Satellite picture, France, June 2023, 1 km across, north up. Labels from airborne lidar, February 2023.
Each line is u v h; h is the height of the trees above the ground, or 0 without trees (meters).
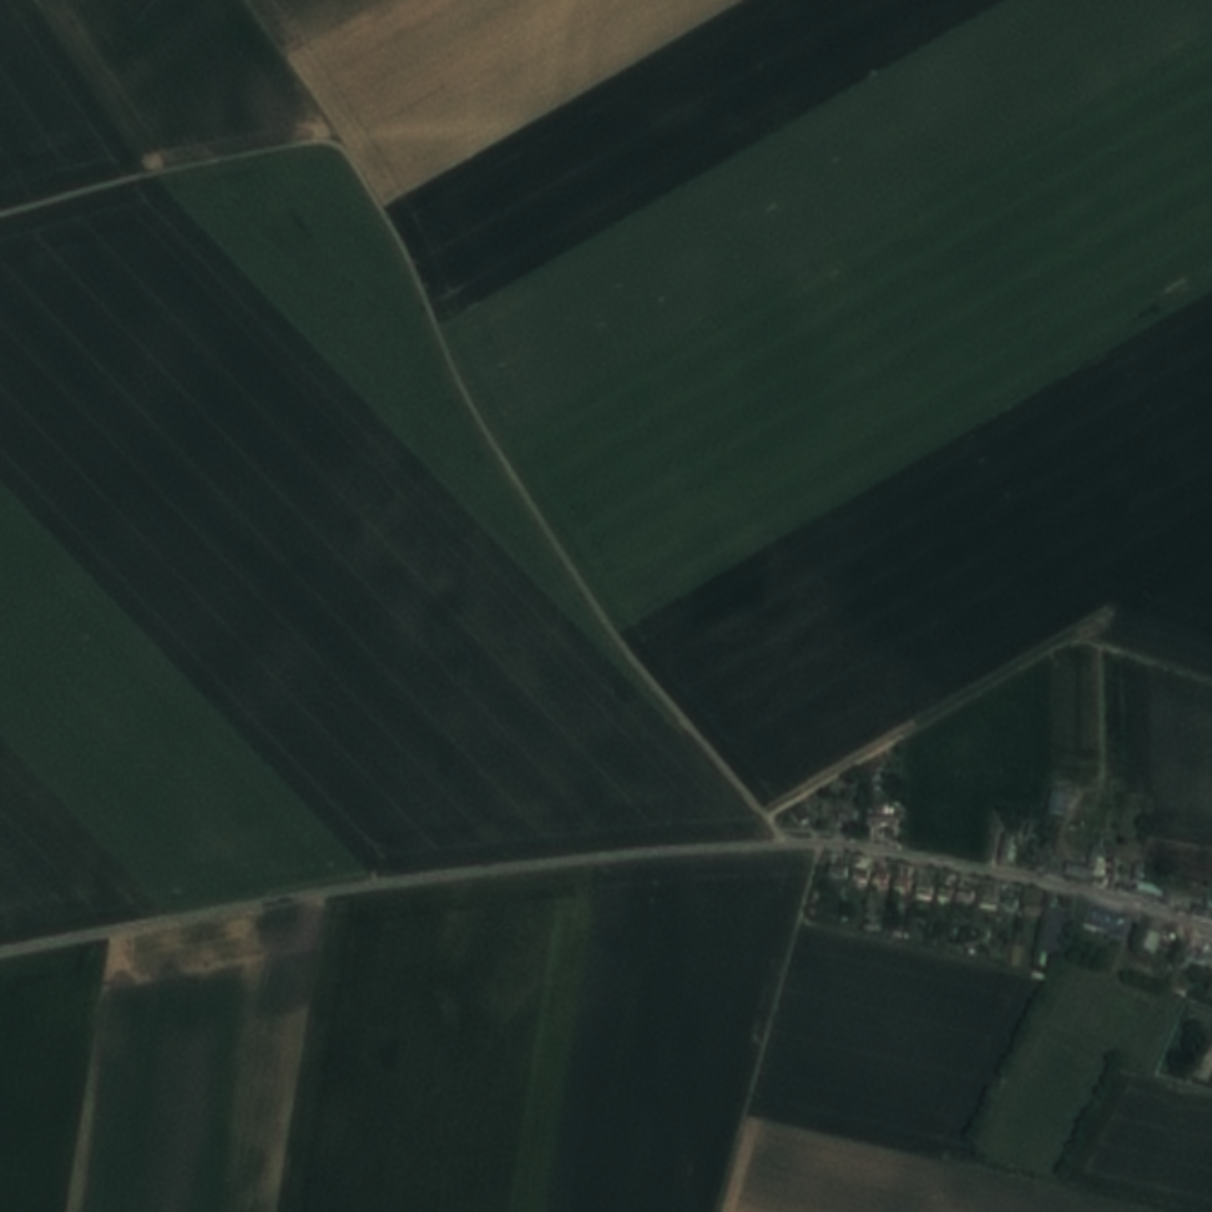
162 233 0
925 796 0
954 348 0
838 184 0
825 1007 0
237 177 0
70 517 0
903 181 0
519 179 0
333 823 0
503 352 0
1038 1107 0
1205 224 0
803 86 0
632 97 0
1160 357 0
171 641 0
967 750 0
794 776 0
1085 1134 11
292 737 0
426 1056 0
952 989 0
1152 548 0
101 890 0
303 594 0
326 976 0
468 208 0
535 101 0
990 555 0
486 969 0
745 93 0
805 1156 0
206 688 0
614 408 0
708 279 0
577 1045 0
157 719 0
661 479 0
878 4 0
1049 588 0
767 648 0
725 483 0
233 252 0
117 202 0
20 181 0
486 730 0
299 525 0
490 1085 0
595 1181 0
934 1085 0
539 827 0
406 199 0
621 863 0
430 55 0
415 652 0
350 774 0
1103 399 0
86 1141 0
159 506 0
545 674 0
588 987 0
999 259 0
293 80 0
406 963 0
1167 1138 0
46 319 0
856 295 0
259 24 0
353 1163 0
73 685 0
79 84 0
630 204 0
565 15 0
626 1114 0
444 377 0
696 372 0
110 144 0
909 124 0
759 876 0
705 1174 0
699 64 0
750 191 0
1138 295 0
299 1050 0
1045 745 0
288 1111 0
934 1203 0
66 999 0
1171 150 0
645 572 0
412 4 0
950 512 0
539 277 0
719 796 0
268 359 0
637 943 0
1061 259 0
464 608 0
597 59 0
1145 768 0
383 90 0
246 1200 0
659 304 0
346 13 0
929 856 0
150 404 0
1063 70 0
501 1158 0
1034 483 0
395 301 0
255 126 0
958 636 0
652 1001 0
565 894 0
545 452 0
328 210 0
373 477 0
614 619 0
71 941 0
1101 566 0
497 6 0
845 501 0
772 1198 0
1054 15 0
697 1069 0
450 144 0
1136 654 0
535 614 0
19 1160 0
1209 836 0
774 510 0
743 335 0
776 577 0
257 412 0
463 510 0
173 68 0
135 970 0
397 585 0
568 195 0
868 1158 0
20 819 0
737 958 0
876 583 0
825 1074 0
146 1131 0
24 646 0
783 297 0
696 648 0
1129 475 0
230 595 0
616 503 0
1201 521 0
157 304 0
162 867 0
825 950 0
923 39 0
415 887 0
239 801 0
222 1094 0
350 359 0
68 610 0
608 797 0
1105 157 0
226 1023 0
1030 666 0
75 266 0
